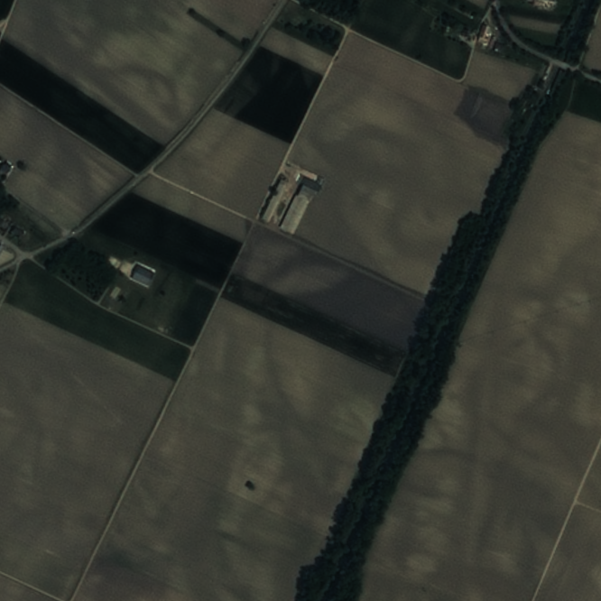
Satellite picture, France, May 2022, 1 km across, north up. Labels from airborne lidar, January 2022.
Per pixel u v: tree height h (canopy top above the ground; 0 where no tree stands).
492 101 0
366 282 0
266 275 0
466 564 0
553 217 0
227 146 0
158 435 0
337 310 0
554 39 0
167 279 0
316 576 23
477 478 0
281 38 0
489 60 0
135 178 0
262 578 0
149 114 0
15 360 0
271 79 0
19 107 0
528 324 0
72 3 0
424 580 0
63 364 0
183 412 0
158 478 0
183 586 0
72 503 0
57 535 0
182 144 0
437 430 0
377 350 0
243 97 0
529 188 0
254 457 0
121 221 0
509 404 0
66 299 0
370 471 21
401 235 0
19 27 0
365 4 0
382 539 0
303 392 0
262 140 0
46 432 0
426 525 0
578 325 0
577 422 0
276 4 0
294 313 0
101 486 0
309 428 0
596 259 0
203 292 0
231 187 0
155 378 0
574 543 0
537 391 0
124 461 0
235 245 0
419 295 0
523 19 0
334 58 0
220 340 0
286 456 0
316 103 0
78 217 0
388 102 0
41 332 0
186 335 0
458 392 0
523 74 0
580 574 0
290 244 0
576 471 0
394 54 0
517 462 0
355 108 0
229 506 0
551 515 0
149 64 0
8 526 0
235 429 0
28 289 0
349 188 0
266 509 0
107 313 0
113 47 0
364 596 0
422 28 0
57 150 0
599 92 0
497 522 0
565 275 0
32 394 0
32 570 0
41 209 0
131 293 0
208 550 0
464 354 0
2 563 0
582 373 0
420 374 19
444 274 21
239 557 0
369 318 0
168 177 0
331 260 0
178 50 0
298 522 0
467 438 0
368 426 0
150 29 0
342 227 0
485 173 0
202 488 0
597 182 0
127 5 0
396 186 0
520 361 0
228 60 0
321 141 0
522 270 0
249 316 0
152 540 0
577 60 10
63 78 0
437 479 0
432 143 0
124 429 0
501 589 0
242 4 0
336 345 0
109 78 0
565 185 0
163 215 0
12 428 0
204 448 0
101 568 0
